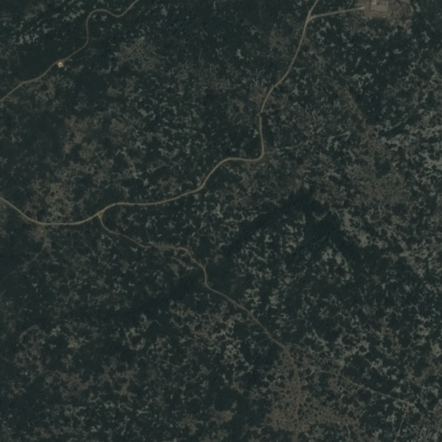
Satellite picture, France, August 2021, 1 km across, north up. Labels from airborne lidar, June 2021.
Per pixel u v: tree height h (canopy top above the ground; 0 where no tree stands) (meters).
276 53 0
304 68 0
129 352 5
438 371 0
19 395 0
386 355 0
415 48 0
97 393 0
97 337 0
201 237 5
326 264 0
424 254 0
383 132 6
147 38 0
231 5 0
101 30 0
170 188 0
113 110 0
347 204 6
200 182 0
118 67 0
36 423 5
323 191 7
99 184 0
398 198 0
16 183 0
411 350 0
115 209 0
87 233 6
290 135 0
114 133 0
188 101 0
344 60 0
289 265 9
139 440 0
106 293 0
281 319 0
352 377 0
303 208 8
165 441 0
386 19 0
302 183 0
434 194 0
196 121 0
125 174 0
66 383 0
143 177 0
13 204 0
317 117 0
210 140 0
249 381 6
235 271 0
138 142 0
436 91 0
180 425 0
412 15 0
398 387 0
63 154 0
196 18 11
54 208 0
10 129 6
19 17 5
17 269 0
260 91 0
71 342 0
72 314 5
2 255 5
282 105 0
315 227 6
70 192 0
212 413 0
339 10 0
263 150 0
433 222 0
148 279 5
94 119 0
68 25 7
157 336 0
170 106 0
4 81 0
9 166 0
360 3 0
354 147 0
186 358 0
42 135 0
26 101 0
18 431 0
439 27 0
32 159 0
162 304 6
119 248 0
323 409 0
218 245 0
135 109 0
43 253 0
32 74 0
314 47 0
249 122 0
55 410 0
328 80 0
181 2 0
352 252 7
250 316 0
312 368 0
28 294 0
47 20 6
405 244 0
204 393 0
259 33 0
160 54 0
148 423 0
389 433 0
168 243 0
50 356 0
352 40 7
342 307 0
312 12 0
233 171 0
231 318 0
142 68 0
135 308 6
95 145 0
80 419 0
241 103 0
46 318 7
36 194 0
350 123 0
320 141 0
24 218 0
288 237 0
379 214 0
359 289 0
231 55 0
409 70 0
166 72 0
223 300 0
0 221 0
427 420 0
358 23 0
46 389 0
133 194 0
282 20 0
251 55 0
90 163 0
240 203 0
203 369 0
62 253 0
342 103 0
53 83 0
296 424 0
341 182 7
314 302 0
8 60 0
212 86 0
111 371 0
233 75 0
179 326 0
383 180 0
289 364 0
